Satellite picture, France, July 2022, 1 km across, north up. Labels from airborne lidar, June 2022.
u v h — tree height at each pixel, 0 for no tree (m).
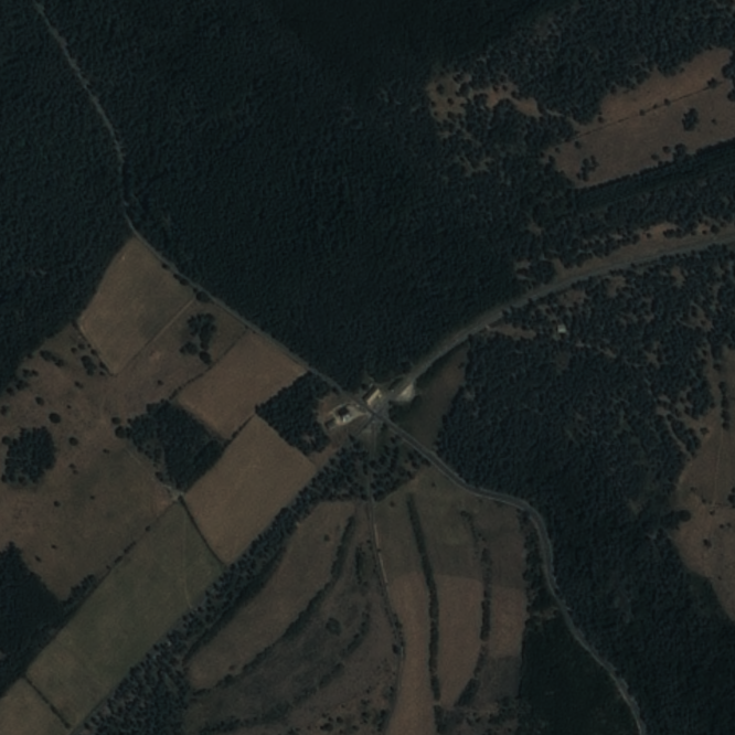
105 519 0
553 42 8
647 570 8
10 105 16
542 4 15
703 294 13
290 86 15
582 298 0
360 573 8
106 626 0
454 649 0
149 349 0
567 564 20
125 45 9
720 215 15
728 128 0
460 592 0
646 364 13
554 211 11
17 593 13
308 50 11
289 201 25
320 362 15
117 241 13
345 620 0
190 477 12
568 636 7
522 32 14
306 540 0
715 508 0
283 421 14
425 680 0
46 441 9
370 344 16
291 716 0
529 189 12
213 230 26
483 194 10
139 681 18
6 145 17
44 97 13
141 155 18
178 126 18
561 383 14
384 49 12
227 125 14
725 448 0
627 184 17
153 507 0
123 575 0
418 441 0
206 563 0
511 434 16
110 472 0
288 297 18
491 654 0
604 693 8
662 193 14
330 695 0
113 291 0
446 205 16
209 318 13
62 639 0
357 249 19
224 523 0
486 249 24
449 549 0
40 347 17
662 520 8
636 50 18
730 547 0
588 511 15
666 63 17
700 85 0
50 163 14
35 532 0
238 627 0
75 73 18
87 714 0
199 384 0
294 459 0
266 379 0
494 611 0
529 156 7
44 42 18
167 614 0
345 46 11
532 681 6
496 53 15
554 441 19
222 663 0
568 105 12
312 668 0
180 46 18
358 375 15
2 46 20
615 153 0
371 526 0
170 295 0
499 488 12
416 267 15
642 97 0
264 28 20
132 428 8
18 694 0
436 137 14
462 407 17
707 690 19
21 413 0
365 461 7
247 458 0
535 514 0
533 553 6
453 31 16
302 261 22
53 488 0
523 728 7
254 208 23
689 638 17
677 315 15
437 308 22
